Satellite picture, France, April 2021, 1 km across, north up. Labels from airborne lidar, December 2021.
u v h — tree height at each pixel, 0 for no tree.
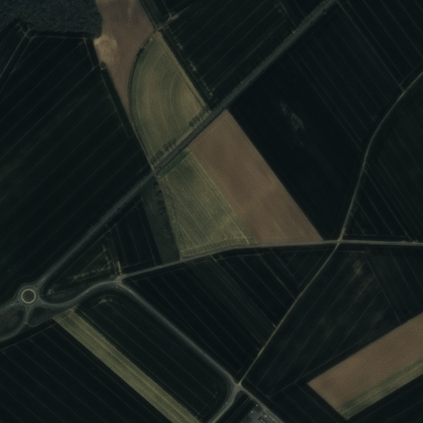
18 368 0
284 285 0
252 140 0
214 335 0
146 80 0
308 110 0
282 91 0
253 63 0
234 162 0
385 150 0
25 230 0
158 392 0
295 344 0
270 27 0
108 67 0
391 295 0
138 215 0
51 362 0
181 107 0
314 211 0
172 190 0
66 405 0
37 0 15
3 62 0
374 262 0
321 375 0
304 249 0
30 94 0
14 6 24
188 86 0
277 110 0
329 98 0
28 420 0
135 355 0
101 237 0
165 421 0
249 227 0
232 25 0
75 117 0
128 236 0
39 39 0
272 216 0
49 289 0
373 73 0
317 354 0
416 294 0
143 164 0
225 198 0
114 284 0
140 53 7
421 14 0
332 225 0
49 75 0
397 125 0
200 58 0
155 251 0
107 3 0
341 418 0
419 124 0
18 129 0
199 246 0
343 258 0
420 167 0
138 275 0
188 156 0
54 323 0
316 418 0
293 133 0
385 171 0
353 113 0
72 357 0
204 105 0
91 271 0
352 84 0
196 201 0
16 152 0
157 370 0
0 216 0
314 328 0
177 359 0
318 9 21
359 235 0
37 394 0
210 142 0
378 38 0
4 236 0
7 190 0
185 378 0
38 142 0
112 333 0
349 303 0
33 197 0
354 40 0
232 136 0
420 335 0
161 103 0
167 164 0
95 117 0
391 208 0
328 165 0
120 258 0
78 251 0
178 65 0
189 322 0
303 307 0
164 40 0
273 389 0
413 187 0
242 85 25
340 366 0
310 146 0
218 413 0
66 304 0
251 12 0
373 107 0
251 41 0
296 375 0
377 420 0
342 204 0
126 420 0
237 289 0
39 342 0
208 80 0
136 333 0
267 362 0
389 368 0
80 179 0
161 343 0
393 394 0
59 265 0
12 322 6
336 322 0
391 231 0
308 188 0
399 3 0
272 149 0
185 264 0
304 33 0
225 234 0
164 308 0
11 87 0
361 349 0
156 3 0
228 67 0
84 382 0
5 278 0
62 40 0
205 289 0
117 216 0
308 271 0
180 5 0
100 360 0
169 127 0
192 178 0
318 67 0
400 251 0
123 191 0
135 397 0
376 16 0
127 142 0
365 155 0
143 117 0
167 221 10
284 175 0
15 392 0
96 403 0
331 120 0
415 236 0
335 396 0
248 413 0
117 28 0
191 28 0
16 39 0
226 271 0
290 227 0
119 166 0
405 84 0
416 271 0
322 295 0
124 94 0
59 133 0
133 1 0
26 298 0
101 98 0
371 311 0
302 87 0
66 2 26
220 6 0
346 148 0
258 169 0
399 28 0
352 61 0
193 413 0
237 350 0
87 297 0
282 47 24
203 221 0
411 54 0
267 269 0
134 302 0
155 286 0
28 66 0
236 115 0
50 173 0
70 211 0
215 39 0
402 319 0
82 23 19
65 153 0
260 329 0
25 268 0
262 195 0
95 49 0
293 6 0
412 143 0
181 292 0
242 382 0
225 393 0
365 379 0
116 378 0
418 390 0
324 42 0
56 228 0
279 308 0
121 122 0
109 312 0
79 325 0
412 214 0
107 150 0
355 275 0
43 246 0
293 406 0
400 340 0
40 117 0
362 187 0
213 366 0
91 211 0
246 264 0
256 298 0
